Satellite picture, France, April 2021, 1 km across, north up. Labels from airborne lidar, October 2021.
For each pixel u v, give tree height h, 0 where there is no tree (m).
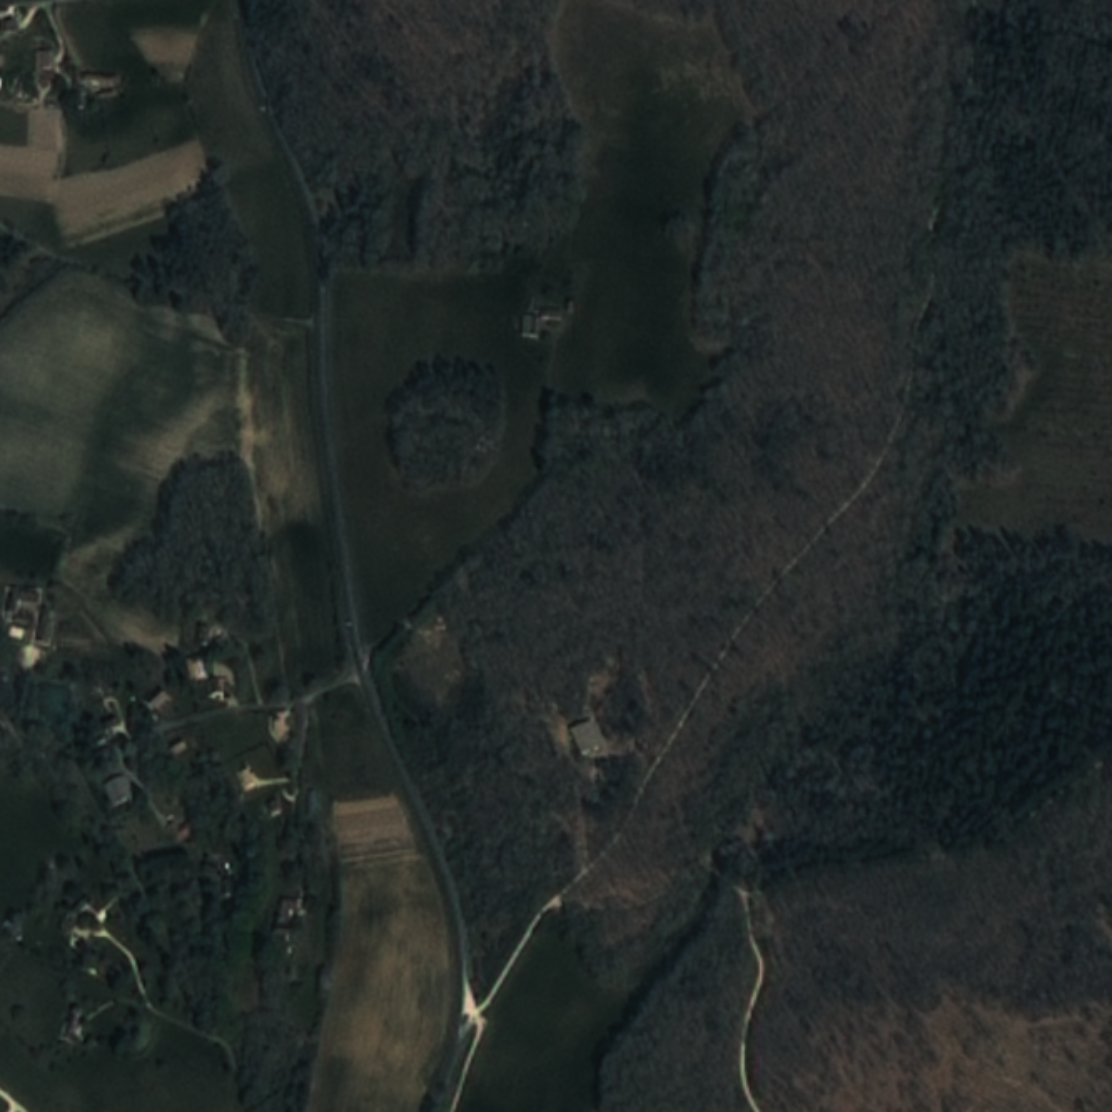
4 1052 0
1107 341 10
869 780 25
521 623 23
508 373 0
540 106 23
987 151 24
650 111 0
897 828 23
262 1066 19
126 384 0
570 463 20
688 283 0
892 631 23
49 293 0
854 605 15
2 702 24
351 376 0
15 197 0
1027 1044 0
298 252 0
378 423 0
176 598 27
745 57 18
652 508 19
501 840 17
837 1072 8
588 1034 0
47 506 0
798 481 15
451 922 0
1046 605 30
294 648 0
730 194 23
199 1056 0
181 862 17
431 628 0
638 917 15
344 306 0
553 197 25
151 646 0
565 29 0
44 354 0
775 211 18
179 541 25
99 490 0
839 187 23
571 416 19
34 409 0
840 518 15
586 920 14
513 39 21
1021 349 16
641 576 19
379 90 23
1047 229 22
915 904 18
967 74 18
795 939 16
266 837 7
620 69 0
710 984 19
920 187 25
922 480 19
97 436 0
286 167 0
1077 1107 0
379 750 0
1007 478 23
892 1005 13
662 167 0
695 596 17
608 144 0
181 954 19
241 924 25
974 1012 18
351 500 0
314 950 0
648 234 0
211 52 0
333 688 0
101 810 7
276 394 0
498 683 20
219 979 22
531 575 13
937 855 19
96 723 14
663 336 0
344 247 19
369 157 20
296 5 25
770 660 15
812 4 21
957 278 24
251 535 19
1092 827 14
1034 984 10
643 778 23
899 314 25
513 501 0
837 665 15
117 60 0
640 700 13
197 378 0
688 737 13
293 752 19
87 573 0
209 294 19
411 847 0
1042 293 8
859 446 18
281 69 21
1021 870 17
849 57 16
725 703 14
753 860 26
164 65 0
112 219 0
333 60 21
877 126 17
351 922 0
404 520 0
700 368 0
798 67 18
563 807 13
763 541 18
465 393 23
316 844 20
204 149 0
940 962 17
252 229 0
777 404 22
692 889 20
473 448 19
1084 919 18
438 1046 0
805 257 12
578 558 20
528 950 0
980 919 19
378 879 0
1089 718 32
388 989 0
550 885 18
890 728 18
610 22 0
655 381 0
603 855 16
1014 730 15
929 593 26
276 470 0
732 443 19
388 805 0
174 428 0
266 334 0
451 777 8
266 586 21
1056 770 24
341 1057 0
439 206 24
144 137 0
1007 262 21
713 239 20
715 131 0
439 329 0
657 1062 22
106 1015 0
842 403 20
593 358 0
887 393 20
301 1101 13
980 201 21
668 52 0
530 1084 0
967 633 22
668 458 20
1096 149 25
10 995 0
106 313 0
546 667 18
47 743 20
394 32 17
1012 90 14
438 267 24
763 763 28
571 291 10
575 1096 0
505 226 26
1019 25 13
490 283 0
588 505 18
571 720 14
